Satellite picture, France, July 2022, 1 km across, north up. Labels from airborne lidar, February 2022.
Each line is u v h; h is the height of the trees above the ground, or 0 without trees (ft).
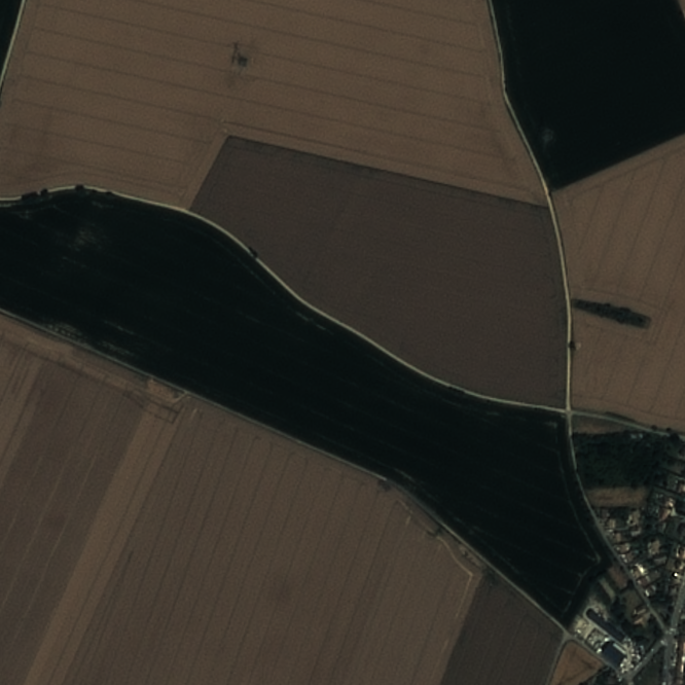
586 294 0
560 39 0
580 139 0
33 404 0
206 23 0
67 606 0
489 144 0
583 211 0
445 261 0
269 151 0
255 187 0
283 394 0
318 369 0
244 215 0
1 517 0
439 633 0
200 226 0
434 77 0
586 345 0
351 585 0
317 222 0
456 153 0
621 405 0
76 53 0
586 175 0
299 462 0
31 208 0
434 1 0
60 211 0
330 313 0
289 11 0
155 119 0
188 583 0
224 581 0
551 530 0
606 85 0
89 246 0
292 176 0
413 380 0
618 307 0
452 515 0
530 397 0
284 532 0
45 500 0
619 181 0
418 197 0
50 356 0
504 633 0
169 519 0
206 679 0
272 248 0
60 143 0
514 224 0
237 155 0
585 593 0
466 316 0
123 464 0
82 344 0
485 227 0
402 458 0
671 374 0
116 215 0
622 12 0
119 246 0
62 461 0
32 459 0
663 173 0
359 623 0
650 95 0
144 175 0
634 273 0
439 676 0
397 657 0
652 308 0
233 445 0
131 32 0
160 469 0
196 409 0
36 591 0
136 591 0
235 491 0
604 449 39
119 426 0
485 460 0
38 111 0
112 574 0
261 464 0
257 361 0
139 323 0
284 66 0
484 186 0
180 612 0
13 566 0
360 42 0
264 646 0
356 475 0
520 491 0
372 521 0
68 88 0
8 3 0
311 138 0
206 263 0
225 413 0
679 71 0
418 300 0
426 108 0
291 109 0
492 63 0
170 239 0
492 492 0
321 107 0
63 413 0
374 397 0
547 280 0
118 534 0
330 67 0
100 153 0
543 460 0
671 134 0
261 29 0
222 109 0
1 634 0
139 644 0
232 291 0
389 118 0
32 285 0
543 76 0
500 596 0
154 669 0
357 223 0
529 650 0
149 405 0
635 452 27
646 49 0
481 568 0
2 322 0
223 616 0
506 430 0
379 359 0
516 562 0
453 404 0
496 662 0
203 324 0
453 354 0
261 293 0
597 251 0
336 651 0
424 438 0
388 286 0
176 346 0
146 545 0
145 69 0
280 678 0
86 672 0
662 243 0
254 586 0
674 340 0
